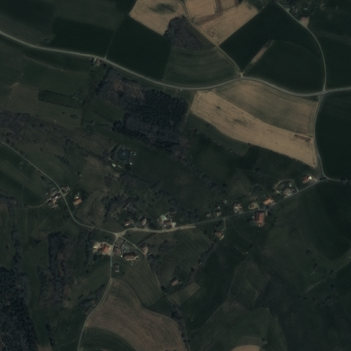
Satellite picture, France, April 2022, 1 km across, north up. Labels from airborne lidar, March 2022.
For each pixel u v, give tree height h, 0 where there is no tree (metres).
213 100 0
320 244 0
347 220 0
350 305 0
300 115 0
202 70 0
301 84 0
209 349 0
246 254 0
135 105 29
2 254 0
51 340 6
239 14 0
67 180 0
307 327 0
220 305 0
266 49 0
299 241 0
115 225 0
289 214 0
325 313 0
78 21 0
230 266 0
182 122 26
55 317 0
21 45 0
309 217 0
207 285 0
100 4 0
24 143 0
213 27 0
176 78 0
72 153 0
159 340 0
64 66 0
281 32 0
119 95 22
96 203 0
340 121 0
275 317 7
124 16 0
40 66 0
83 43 0
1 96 0
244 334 0
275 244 0
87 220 0
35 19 0
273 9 0
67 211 10
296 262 0
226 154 0
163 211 0
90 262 17
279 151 0
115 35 0
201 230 0
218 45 0
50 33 0
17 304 13
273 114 0
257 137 0
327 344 0
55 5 0
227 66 0
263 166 0
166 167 0
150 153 0
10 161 0
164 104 26
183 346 0
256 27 0
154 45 0
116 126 16
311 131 0
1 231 0
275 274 0
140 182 18
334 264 0
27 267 0
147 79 0
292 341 0
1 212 0
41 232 0
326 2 0
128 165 12
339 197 0
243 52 0
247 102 0
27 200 0
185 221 0
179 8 0
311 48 0
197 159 0
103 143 0
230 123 0
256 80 0
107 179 12
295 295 0
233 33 0
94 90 0
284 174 0
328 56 0
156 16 0
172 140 32
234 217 0
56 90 0
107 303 0
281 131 0
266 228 13
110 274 0
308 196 0
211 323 0
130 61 0
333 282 0
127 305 0
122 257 0
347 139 0
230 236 0
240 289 0
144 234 0
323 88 0
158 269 13
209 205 0
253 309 0
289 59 0
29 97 0
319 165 0
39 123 0
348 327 0
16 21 0
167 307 0
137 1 0
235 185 0
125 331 0
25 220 0
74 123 0
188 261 0
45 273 11
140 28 0
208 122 0
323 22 0
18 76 0
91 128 6
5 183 0
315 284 0
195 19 0
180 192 0
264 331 0
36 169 0
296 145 0
